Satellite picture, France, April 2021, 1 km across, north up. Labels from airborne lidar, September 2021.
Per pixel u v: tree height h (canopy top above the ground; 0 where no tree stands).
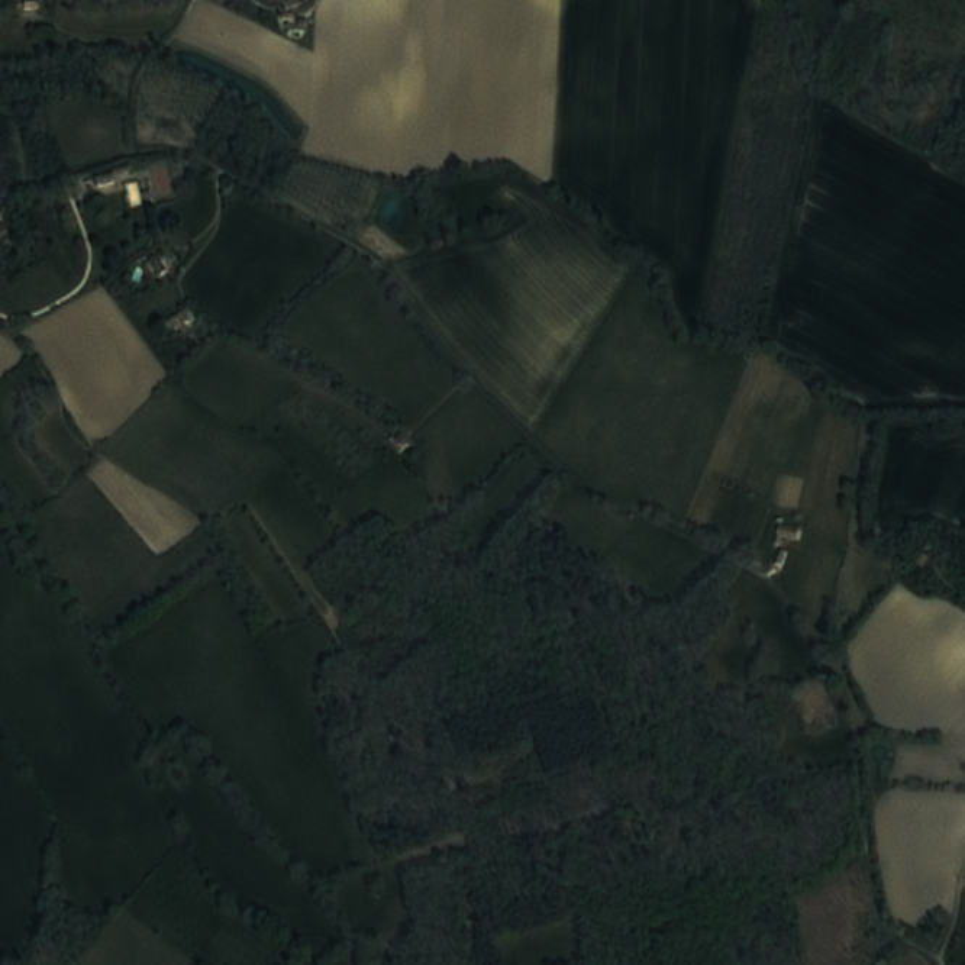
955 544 6
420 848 20
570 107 0
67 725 0
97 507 0
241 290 0
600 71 0
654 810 19
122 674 0
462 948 23
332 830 0
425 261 0
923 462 0
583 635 18
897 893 0
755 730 18
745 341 19
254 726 0
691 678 16
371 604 14
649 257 11
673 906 23
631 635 15
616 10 0
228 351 0
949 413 20
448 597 19
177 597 14
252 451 0
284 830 0
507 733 22
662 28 0
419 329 7
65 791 0
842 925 16
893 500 0
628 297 0
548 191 11
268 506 0
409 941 19
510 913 21
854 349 0
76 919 18
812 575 0
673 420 0
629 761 19
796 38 11
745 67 0
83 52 19
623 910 24
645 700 17
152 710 0
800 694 16
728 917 22
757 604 0
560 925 20
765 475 0
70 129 0
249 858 0
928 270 0
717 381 0
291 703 0
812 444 0
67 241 11
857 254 0
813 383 15
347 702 13
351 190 31
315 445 0
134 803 0
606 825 20
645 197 0
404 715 13
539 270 0
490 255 0
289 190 32
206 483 0
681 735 19
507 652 18
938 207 0
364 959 23
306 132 0
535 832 16
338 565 11
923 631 0
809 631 21
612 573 14
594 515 0
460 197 0
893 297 0
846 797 21
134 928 0
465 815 20
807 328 0
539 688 20
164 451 0
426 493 0
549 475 14
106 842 0
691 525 0
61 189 14
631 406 0
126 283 6
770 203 7
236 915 11
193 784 0
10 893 0
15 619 0
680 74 0
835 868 23
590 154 0
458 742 18
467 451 0
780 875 23
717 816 21
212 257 0
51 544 0
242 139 22
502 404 0
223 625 0
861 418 17
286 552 0
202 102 33
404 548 19
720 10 0
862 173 0
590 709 20
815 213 0
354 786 17
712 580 20
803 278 0
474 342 0
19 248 13
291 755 0
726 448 0
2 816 0
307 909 0
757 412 0
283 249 0
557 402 0
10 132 0
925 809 0
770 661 20
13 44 0
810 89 18
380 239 0
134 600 0
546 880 15
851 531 0
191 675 0
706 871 20
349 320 0
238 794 22
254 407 0
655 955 19
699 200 0
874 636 0
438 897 21
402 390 0
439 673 16
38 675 0
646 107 0
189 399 0
